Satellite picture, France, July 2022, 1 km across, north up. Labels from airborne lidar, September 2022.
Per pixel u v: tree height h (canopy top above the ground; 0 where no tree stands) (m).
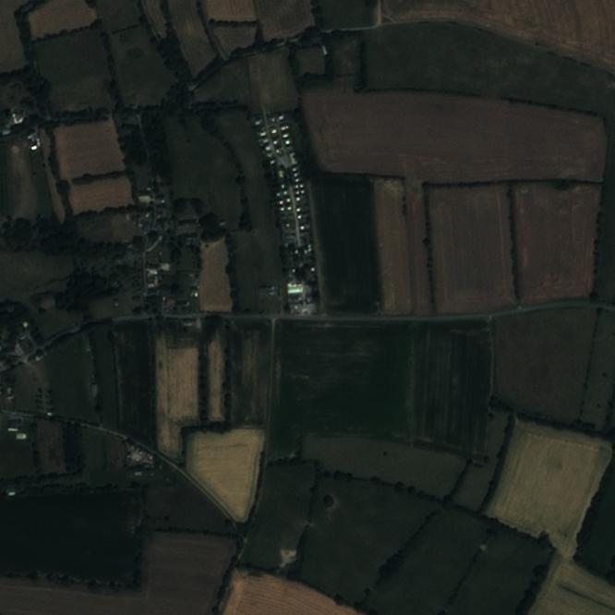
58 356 0
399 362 0
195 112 6
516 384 0
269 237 0
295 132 0
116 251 12
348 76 0
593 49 0
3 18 0
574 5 0
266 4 0
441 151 0
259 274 0
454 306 0
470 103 0
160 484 0
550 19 0
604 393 0
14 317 19
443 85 0
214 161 0
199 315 0
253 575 0
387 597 0
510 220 9
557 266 0
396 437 0
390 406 0
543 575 16
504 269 0
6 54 0
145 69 0
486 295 0
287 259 12
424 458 0
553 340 0
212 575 0
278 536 0
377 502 0
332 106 0
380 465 0
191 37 0
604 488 8
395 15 0
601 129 0
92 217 10
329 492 0
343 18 0
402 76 0
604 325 0
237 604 0
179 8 0
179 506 0
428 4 0
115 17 0
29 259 0
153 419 7
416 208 0
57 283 0
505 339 0
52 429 0
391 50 0
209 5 0
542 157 0
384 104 0
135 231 0
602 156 0
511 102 10
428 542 0
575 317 0
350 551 0
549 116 0
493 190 0
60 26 0
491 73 0
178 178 0
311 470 0
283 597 0
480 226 0
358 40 0
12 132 10
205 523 0
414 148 0
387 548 0
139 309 8
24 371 0
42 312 12
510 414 8
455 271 0
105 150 0
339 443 0
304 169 7
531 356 0
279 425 0
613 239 0
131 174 16
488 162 0
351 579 0
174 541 0
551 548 10
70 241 17
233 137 0
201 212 12
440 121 0
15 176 0
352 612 0
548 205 0
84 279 23
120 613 0
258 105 0
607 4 0
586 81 0
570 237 0
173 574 0
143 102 0
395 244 0
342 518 0
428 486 0
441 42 0
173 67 12
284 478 0
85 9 0
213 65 12
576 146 0
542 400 0
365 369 0
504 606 0
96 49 0
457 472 0
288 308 11
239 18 0
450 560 0
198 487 0
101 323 11
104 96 0
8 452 0
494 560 0
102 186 0
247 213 11
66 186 7
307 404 0
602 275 0
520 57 0
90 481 0
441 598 0
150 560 0
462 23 0
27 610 0
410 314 0
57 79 0
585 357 0
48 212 0
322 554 0
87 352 0
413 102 0
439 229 0
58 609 0
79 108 0
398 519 0
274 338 0
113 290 11
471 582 0
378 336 0
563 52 0
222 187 0
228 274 14
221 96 0
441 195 0
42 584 0
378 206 0
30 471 0
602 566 0
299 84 7
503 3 0
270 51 12
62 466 0
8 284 0
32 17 0
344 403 0
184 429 7
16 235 20
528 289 0
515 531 9
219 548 0
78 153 0
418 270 0
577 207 0
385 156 0
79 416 0
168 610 0
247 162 0
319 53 0
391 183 0
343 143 0
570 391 0
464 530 0
